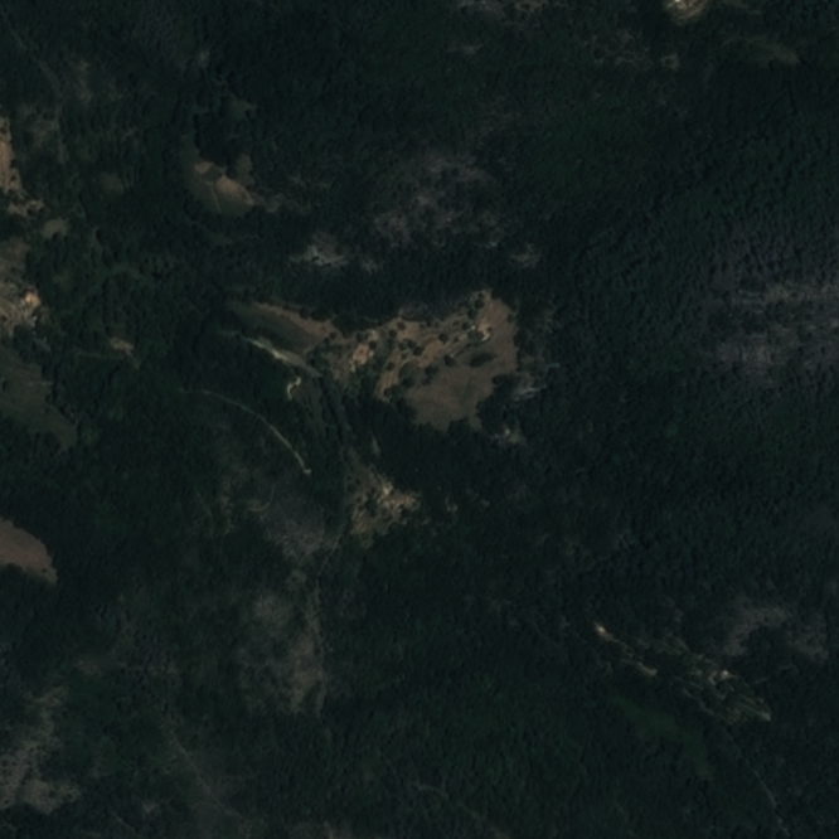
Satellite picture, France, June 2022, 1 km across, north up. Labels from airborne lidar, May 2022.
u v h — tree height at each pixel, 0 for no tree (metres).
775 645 15
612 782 12
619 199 14
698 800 20
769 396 20
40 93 13
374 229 9
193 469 9
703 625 8
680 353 10
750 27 18
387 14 16
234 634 6
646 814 10
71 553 13
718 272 15
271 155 8
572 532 14
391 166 9
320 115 9
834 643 13
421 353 11
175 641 8
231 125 22
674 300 13
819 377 15
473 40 15
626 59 8
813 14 32
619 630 10
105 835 8
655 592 11
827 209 13
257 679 10
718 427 17
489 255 16
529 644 23
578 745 15
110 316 13
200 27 20
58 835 8
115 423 14
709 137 9
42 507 15
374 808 14
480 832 7
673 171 16
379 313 10
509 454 20
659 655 10
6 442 16
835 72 8
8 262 0
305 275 13
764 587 13
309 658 0
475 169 9
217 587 11
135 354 8
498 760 19
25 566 0
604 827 11
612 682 9
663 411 21
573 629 10
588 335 8
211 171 0
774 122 25
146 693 12
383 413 19
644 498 21
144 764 11
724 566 10
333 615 10
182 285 17
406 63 19
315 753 18
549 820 9
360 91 7
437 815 8
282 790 13
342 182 12
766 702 9
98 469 16
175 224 26
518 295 10
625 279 14
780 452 15
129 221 9
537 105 10
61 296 10
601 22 10
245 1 9
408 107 14
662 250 20
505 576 8
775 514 16
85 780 7
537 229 11
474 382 0
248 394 8
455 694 17
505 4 17
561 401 10
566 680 18
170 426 13
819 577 12
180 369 14
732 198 9
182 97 15
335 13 18
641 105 14
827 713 12
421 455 8
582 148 15
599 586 12
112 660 0
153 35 19
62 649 10
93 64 9
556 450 8
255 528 10
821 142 18
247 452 7
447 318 11
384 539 14
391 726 9
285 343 14
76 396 5
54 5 9
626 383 19
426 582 11
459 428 20
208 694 11
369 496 8
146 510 14
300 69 16
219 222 18
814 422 14
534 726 19
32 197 12
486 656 15
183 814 9
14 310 0
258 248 10
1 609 11
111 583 13
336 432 10
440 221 0
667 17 18
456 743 14
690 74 15
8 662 8
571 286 11
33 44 13
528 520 13
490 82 14
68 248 11
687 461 15
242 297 10
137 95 9
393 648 13
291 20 20
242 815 7
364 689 16
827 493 17
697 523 19
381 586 11
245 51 22
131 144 14
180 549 13
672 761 8
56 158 10
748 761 7
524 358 13
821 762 14
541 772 17
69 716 10
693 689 9
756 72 14
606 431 7
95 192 14
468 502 8
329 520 11
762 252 15
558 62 9
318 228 10
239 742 10
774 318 8
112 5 13
